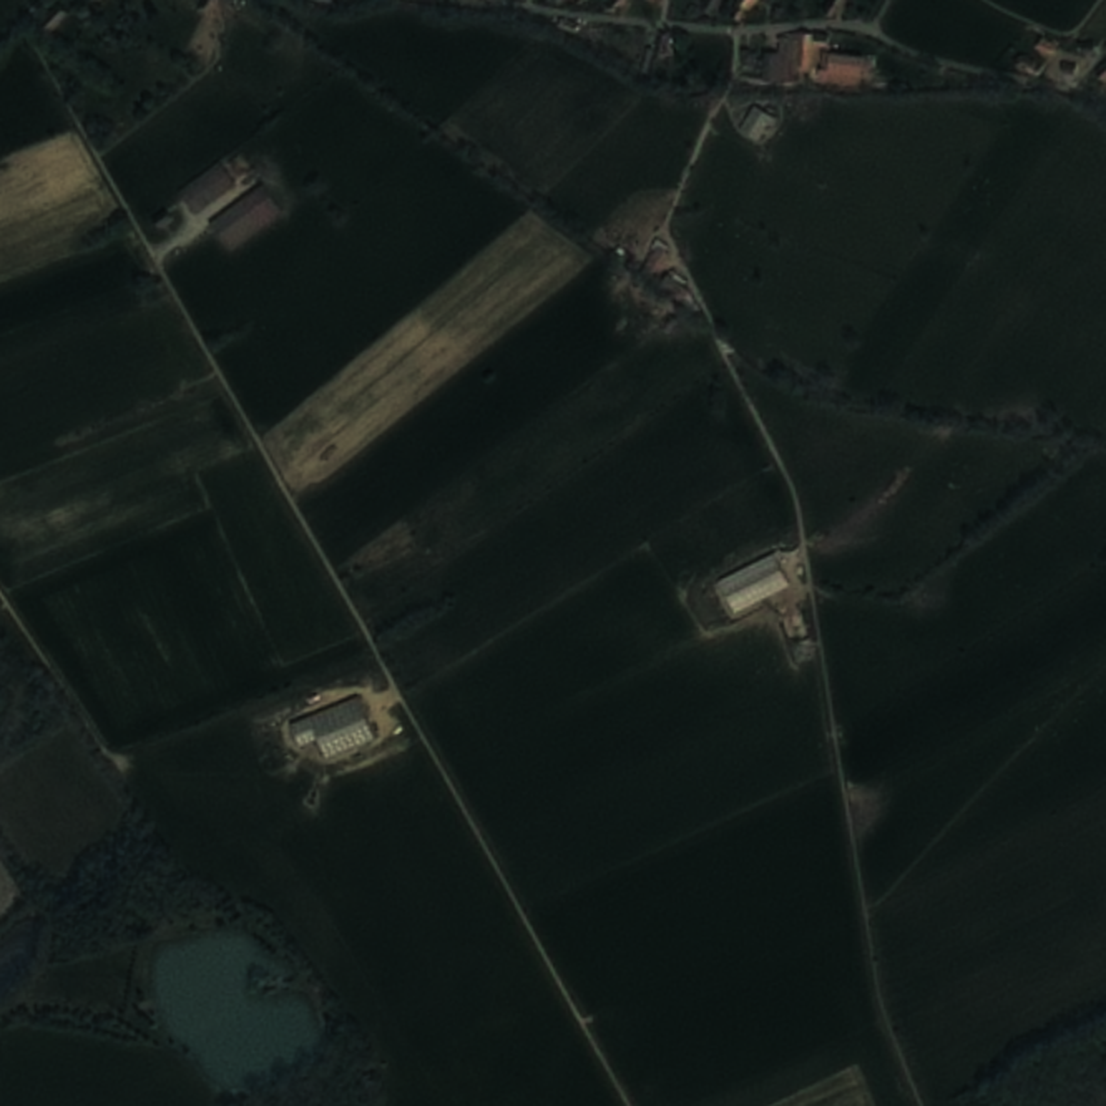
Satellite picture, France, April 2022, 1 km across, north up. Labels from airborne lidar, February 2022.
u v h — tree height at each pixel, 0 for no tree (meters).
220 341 15
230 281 0
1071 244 0
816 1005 0
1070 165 0
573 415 0
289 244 0
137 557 0
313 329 0
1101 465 0
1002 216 0
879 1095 0
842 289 0
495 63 0
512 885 0
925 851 0
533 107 0
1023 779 0
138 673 0
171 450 0
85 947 15
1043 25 0
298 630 0
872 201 0
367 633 0
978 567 0
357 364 0
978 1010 0
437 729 0
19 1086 0
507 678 0
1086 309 0
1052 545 0
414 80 0
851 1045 0
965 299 0
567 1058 0
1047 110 16
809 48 0
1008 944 0
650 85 17
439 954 0
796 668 0
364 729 0
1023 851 0
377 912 0
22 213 0
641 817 0
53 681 17
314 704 0
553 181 0
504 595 0
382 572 0
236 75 0
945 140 0
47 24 0
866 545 0
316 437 0
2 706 18
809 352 0
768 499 0
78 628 0
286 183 0
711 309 0
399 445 0
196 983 0
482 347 0
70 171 0
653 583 0
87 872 18
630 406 0
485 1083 0
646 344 0
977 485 0
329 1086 23
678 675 0
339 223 10
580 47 16
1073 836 0
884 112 0
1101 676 0
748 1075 0
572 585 0
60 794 0
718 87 19
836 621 0
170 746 0
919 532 0
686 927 0
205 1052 0
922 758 0
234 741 0
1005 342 0
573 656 0
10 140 0
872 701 0
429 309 0
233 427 0
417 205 0
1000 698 0
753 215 0
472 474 0
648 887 0
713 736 0
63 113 0
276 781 0
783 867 0
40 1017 7
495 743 0
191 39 0
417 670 0
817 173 0
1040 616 0
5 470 0
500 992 0
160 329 0
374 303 0
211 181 0
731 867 0
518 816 0
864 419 0
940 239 0
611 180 0
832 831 0
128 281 0
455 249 0
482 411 0
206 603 0
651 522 0
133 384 0
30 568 0
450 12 22
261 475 0
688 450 0
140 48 13
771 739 0
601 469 0
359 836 0
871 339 0
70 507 0
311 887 0
